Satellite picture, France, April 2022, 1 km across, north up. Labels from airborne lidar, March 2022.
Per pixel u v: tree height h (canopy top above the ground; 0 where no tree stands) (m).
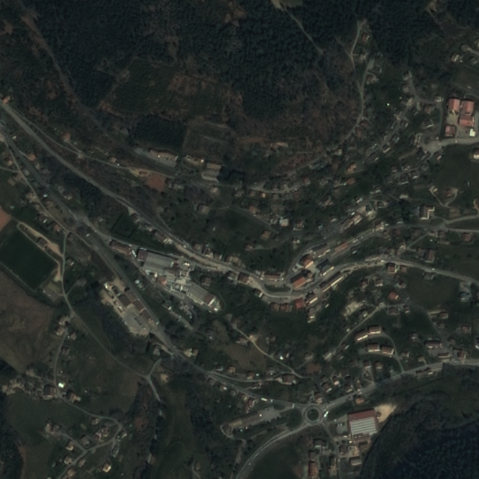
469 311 0
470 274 0
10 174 0
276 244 0
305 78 17
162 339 0
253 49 22
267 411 0
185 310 0
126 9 21
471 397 0
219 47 22
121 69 17
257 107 19
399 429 11
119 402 0
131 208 0
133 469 0
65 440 0
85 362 0
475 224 0
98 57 17
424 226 0
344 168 15
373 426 0
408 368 0
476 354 0
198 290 0
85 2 18
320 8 26
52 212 0
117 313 0
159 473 0
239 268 0
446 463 33
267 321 11
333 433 0
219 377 0
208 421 13
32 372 0
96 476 0
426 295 0
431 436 14
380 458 8
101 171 22
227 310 0
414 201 0
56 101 7
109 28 16
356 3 27
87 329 0
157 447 27
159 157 0
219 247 0
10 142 0
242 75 17
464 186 0
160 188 0
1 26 8
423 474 31
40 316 0
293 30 24
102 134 8
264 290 0
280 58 20
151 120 18
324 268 0
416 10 31
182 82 0
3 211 0
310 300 0
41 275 0
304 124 13
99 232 0
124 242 0
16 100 7
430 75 16
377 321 0
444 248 0
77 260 0
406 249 0
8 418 12
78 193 10
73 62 21
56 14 15
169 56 18
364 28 0
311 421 0
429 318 0
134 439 6
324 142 7
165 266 0
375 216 0
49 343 0
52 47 19
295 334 0
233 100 12
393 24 33
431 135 0
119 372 0
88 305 18
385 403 0
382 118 20
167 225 13
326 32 26
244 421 0
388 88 5
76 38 16
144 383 14
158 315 0
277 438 0
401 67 22
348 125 20
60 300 0
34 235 0
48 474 0
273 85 7
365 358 0
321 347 0
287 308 0
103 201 27
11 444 14
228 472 0
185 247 0
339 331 7
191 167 0
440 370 0
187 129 17
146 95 8
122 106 9
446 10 19
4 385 0
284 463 0
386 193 13
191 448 0
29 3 22
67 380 0
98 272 10
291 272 0
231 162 26
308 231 15
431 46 8
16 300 0
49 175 10
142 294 0
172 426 0
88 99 20
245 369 0
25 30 8
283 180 11
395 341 0
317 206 15
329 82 26
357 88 17
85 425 0
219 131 0
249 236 0
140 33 15
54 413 0
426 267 0
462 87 0
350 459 0
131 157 6
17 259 0
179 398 0
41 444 0
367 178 17
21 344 0
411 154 0
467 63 0
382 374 0
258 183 7
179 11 23
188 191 22
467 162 0
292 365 13
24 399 0
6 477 18
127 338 13
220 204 0
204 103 6
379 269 0
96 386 0
